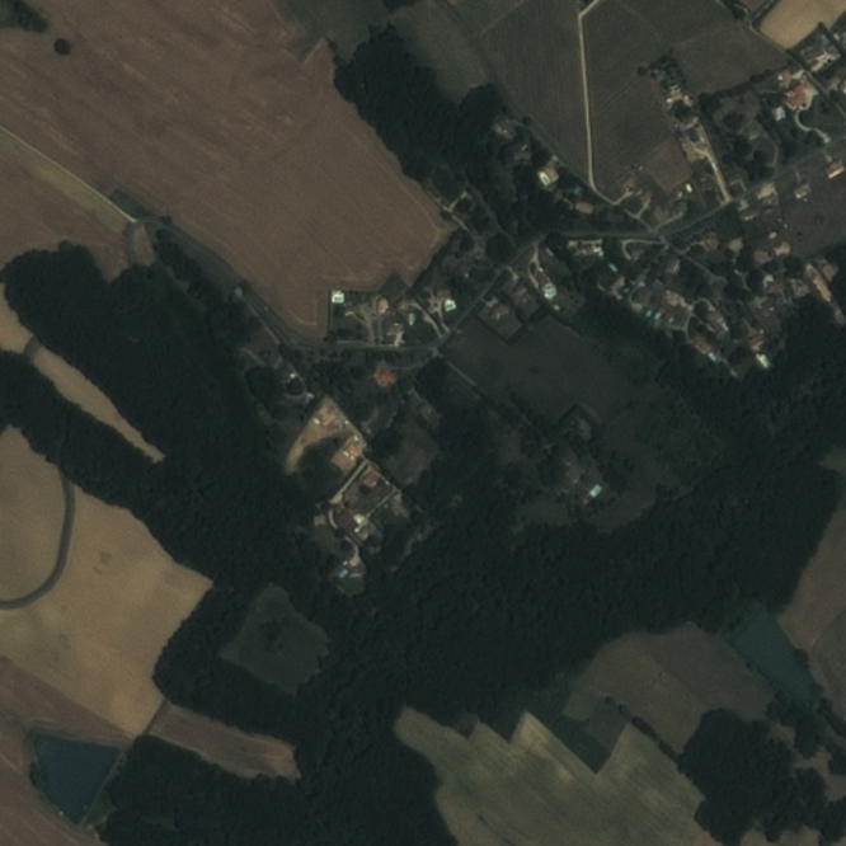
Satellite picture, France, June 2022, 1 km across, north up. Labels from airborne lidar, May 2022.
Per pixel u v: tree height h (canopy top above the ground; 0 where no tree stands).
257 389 26
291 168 0
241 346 21
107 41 0
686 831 0
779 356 9
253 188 0
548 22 0
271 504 14
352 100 15
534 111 0
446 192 7
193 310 7
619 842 0
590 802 0
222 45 0
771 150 0
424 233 0
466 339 0
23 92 0
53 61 0
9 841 0
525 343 0
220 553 18
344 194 0
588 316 5
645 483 0
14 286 18
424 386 21
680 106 7
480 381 0
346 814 20
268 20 0
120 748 0
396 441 19
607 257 10
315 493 0
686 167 0
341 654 11
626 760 0
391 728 12
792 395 30
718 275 16
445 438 14
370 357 11
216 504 24
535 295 7
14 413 19
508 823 0
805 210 0
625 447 0
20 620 0
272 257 0
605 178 0
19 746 0
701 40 0
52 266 16
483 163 19
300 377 7
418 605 7
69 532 0
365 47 17
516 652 20
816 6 0
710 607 21
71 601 0
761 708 0
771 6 8
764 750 14
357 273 0
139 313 16
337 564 21
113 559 0
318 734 26
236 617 21
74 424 20
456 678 18
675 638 0
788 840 0
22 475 0
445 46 0
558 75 0
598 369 0
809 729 21
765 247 0
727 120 11
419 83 24
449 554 24
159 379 18
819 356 26
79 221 0
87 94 0
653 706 0
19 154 0
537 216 18
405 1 22
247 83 0
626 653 0
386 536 9
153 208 0
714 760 18
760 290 9
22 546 0
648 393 0
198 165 0
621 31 0
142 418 20
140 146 0
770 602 19
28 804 0
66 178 0
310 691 23
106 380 22
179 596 0
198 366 18
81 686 0
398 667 15
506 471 10
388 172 0
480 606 23
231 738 0
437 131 17
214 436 16
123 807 24
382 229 0
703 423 7
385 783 18
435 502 16
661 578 14
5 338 0
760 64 0
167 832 21
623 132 0
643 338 6
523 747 0
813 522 20
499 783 0
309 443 0
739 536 27
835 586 0
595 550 16
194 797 20
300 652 0
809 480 18
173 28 0
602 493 0
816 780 19
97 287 15
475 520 12
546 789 0
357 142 0
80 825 0
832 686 0
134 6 0
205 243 0
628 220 9
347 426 0
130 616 0
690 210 7
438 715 15
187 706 12
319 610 28
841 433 23
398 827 19
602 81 0
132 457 22
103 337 17
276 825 12
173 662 18
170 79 0
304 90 0
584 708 0
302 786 20
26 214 0
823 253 6
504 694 14
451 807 0
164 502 11
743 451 13
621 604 18
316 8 0
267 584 17
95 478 16
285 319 0
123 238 0
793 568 18
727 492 27
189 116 0
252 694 16
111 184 0
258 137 0
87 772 0
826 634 0
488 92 14
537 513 0
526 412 8
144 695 0
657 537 18
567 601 29
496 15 0
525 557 21
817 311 21
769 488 24
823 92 0
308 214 0
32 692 0
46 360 0
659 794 0
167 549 12
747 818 20
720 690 0
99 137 0
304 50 0
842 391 28
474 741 0
